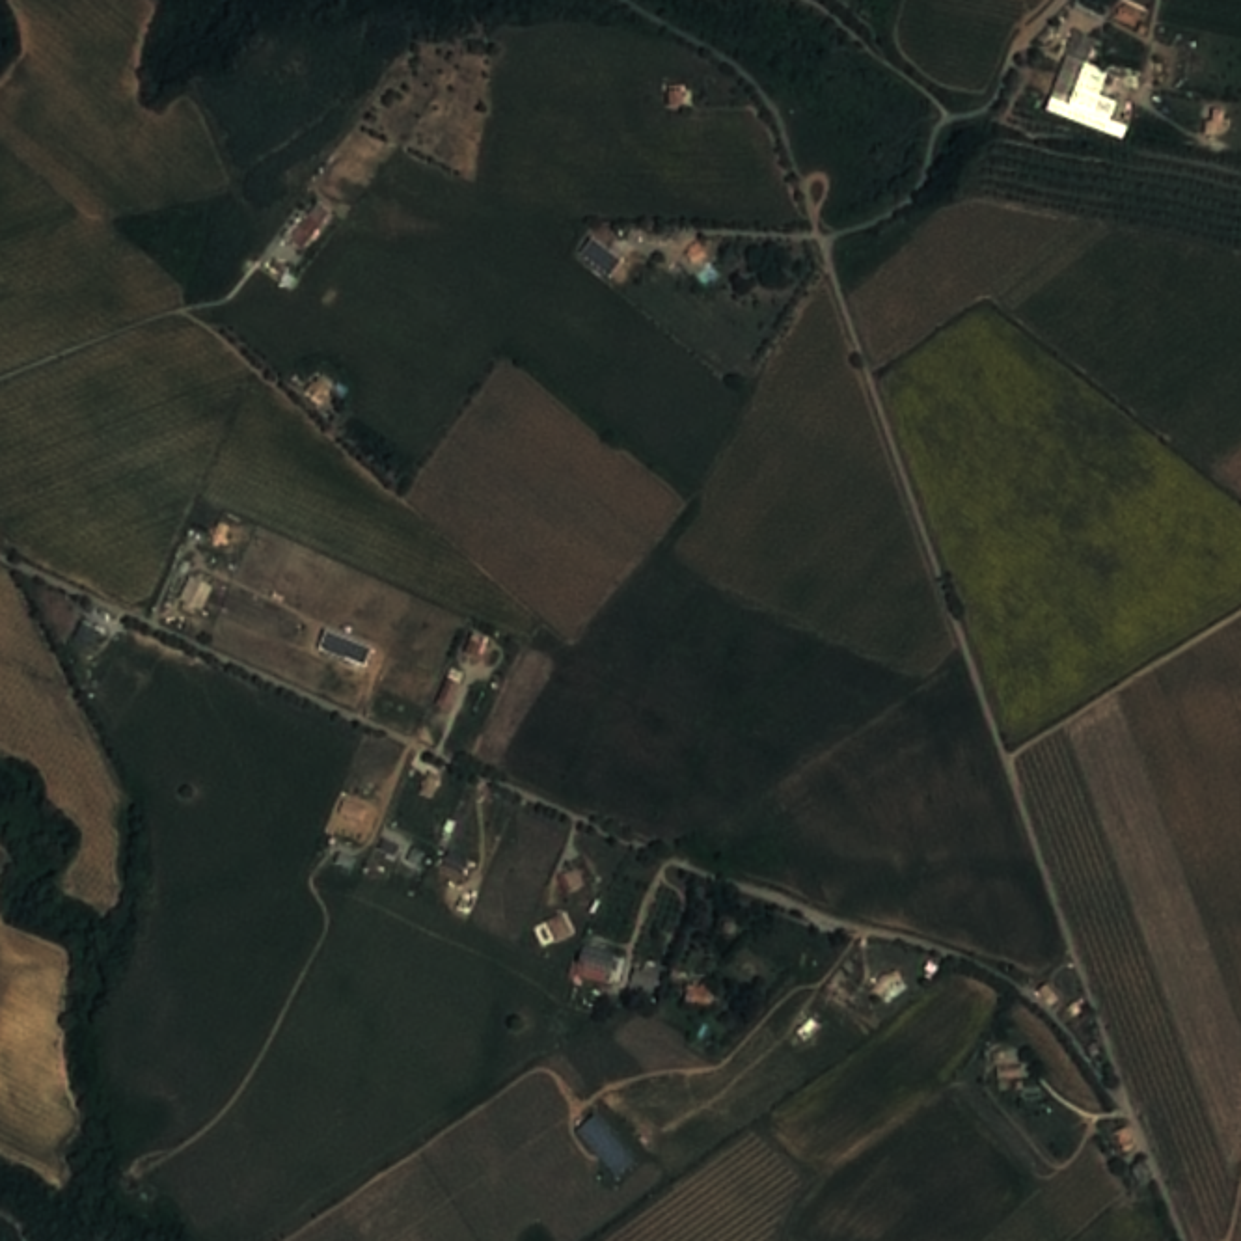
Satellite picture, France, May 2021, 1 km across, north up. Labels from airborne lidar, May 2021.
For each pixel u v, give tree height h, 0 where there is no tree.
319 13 10
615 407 0
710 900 11
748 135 0
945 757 0
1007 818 0
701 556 0
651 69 0
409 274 0
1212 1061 0
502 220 0
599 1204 0
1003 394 0
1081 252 0
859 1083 0
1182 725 0
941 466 0
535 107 0
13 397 0
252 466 0
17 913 9
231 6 11
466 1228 0
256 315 0
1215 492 0
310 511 0
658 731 0
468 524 0
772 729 0
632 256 0
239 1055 0
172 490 0
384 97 8
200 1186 0
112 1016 0
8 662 0
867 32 6
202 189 0
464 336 0
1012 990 10
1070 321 0
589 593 0
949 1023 0
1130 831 0
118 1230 7
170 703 0
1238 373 0
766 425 0
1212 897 0
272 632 0
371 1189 0
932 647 0
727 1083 0
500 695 0
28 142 0
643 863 11
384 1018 0
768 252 11
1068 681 0
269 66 0
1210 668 0
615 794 0
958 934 0
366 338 0
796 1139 0
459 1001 0
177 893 0
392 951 0
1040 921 0
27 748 0
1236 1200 0
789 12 7
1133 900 0
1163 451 0
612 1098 0
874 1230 0
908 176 10
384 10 6
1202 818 0
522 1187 0
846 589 0
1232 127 0
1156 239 0
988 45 0
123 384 0
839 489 0
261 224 0
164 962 0
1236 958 0
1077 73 0
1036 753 0
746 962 0
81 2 0
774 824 0
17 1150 0
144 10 0
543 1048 0
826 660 0
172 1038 0
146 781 0
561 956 0
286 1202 0
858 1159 0
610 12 6
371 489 0
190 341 0
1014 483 0
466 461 0
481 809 0
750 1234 0
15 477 0
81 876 0
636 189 0
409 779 0
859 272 0
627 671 0
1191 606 0
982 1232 0
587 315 0
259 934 0
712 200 0
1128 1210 0
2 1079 0
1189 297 0
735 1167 0
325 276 0
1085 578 0
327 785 0
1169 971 0
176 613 0
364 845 0
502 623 0
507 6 7
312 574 0
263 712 0
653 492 0
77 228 0
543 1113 0
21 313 0
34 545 0
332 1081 0
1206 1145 0
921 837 0
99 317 0
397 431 0
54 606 0
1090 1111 0
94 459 0
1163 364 0
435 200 0
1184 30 0
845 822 0
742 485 0
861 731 0
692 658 0
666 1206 0
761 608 0
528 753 0
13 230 0
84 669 0
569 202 0
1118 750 0
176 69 14
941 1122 0
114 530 0
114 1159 7
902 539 0
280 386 7
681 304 0
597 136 0
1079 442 0
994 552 0
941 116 0
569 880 0
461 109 0
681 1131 0
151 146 0
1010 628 0
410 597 0
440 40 7
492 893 0
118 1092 0
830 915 0
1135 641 0
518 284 0
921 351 0
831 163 0
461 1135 0
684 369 0
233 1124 0
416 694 0
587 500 0
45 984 0
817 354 0
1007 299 0
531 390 0
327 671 0
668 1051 0
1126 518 0
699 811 0
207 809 0
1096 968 0
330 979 0
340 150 0
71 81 0
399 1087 0
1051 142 7
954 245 0
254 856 0
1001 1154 0
